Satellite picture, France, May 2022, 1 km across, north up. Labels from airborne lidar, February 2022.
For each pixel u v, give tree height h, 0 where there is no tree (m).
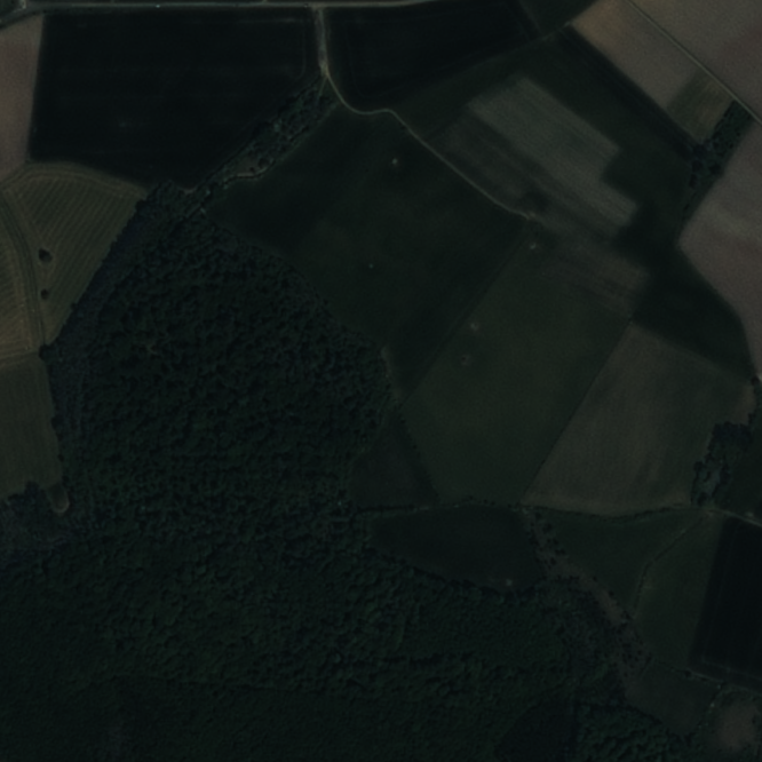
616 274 0
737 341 0
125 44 0
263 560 28
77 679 27
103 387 23
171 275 31
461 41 0
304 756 23
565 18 0
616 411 0
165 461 20
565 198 0
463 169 0
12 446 0
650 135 0
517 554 0
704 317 0
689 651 0
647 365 0
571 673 18
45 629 26
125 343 26
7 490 0
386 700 27
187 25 0
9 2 0
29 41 0
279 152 8
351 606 32
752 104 0
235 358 20
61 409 17
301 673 25
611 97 0
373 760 25
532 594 14
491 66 0
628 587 0
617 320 0
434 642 25
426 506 0
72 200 0
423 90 0
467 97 0
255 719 19
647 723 21
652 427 0
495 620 25
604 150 0
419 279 0
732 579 0
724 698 0
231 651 32
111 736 25
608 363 0
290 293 22
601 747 30
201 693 16
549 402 0
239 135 0
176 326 27
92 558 28
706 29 0
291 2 0
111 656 27
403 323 0
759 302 0
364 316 0
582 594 0
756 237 0
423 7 0
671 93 0
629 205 0
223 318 32
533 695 21
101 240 0
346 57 0
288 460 27
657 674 0
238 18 0
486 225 0
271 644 25
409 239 0
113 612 28
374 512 13
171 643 35
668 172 0
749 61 0
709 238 0
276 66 0
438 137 0
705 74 0
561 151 0
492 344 0
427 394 0
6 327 0
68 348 21
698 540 0
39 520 32
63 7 0
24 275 0
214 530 19
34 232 0
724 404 0
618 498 0
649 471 0
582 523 0
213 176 6
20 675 24
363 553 16
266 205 0
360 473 0
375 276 0
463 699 29
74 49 0
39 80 0
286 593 30
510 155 0
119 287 22
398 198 0
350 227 0
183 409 19
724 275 0
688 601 0
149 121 0
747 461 0
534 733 0
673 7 0
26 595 27
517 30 0
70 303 0
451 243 0
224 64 0
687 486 0
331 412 24
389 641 31
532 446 0
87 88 0
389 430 0
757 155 0
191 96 0
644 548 0
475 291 0
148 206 15
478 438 0
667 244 0
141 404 23
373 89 0
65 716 23
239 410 25
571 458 0
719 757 0
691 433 0
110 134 0
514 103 0
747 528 0
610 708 8
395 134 0
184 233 21
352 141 0
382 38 0
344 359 11
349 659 31
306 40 0
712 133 0
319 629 25
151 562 30
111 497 10
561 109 0
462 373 0
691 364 0
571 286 0
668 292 0
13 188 0
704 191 0
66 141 0
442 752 30
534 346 0
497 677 24
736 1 0
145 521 17
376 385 11
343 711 24
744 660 0
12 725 20
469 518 0
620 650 0
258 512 14
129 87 0
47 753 23
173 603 34
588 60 0
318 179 0
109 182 0
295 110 14
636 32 0
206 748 14
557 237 0
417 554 0
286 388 25
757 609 0
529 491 0
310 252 0
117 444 25
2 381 0
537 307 0
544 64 0
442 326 0
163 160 0
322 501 8
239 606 34
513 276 0
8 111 0
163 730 16
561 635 14
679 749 25
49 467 0
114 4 0
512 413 0
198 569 30
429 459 0
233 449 22
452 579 0
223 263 26
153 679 13
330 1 0
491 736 26
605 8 0
